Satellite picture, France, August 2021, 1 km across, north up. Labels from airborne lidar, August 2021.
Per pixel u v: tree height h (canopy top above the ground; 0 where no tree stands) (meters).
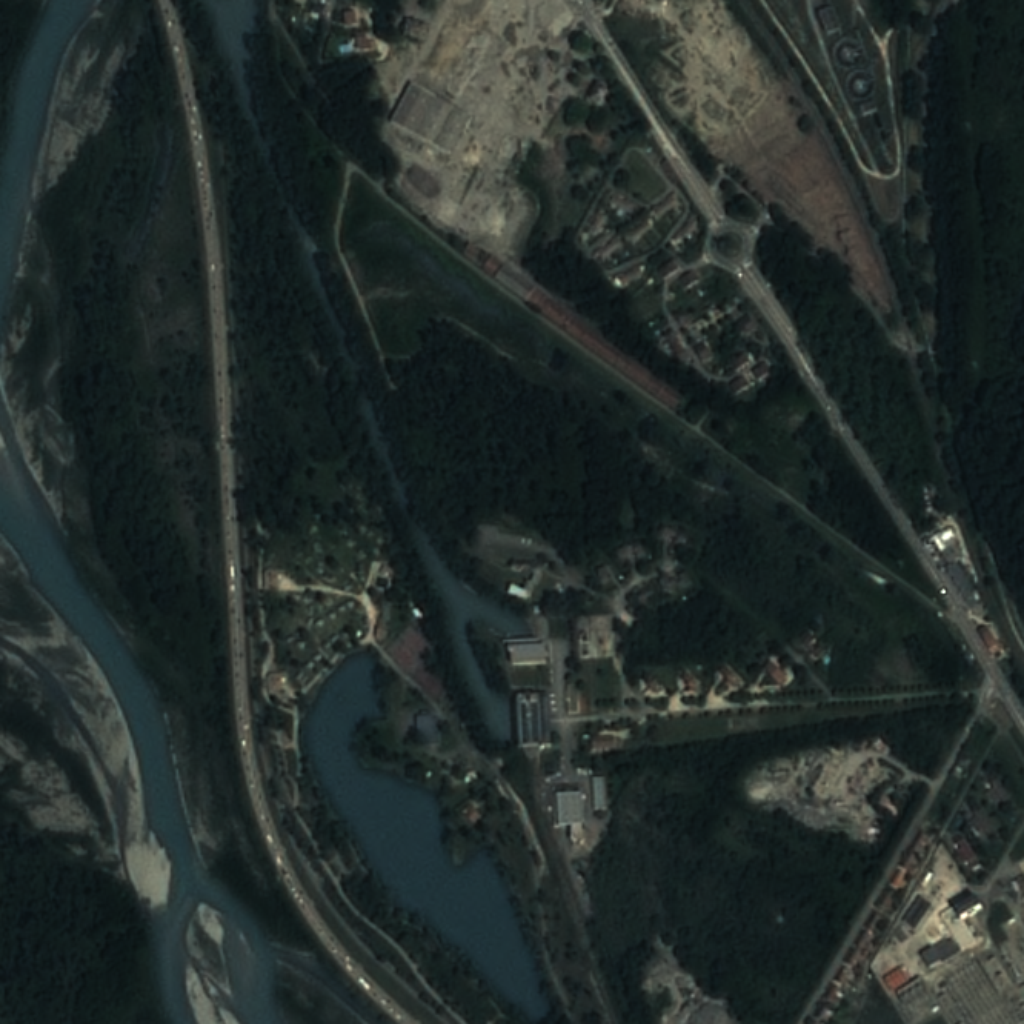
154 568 26
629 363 0
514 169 0
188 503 10
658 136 0
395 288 0
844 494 17
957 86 15
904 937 0
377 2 7
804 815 0
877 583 0
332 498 0
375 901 16
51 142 0
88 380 23
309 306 21
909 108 17
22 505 0
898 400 20
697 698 8
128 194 11
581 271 19
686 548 12
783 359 7
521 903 14
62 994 12
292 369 15
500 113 0
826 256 10
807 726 8
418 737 22
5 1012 7
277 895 9
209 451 14
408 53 0
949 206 21
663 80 0
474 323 0
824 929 7
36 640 0
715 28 0
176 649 7
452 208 0
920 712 10
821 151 0
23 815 6
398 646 0
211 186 0
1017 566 24
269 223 16
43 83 0
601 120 13
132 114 22
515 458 24
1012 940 0
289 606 7
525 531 0
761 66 0
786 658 11
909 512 21
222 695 9
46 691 0
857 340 17
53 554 0
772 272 16
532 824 0
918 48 0
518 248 0
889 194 0
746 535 15
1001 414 16
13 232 0
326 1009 0
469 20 0
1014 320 6
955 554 0
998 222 11
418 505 21
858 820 0
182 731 0
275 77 16
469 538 11
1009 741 0
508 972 0
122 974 11
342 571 0
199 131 0
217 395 0
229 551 0
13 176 0
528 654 0
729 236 8
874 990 0
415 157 0
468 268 0
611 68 12
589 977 0
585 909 0
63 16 0
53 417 0
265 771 0
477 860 0
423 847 0
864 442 16
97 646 0
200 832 0
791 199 0
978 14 11
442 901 0
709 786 7
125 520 23
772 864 8
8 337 0
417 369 20
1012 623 0
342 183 0
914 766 10
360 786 0
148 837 0
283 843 0
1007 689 0
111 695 0
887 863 6
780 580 6
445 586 0
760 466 21
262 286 18
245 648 0
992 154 10
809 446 17
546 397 23
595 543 14
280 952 0
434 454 6
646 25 0
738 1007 16
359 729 9
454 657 21
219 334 0
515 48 0
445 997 8
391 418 20
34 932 22
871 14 0
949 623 0
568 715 0
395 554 12
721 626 12
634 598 11
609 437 19
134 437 17
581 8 0
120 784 0
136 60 9
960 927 0
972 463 15
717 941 9
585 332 0
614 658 0
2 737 0
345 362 20
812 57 0
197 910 0
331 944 0
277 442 23
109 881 9
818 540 27
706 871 13
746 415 14
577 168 16
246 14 0
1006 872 0
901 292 9
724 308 8
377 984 0
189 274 12
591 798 0
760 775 0
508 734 0
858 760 0
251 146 22
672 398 0
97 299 27
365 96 18
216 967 0
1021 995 0
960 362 18
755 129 0
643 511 16
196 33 21
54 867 8
